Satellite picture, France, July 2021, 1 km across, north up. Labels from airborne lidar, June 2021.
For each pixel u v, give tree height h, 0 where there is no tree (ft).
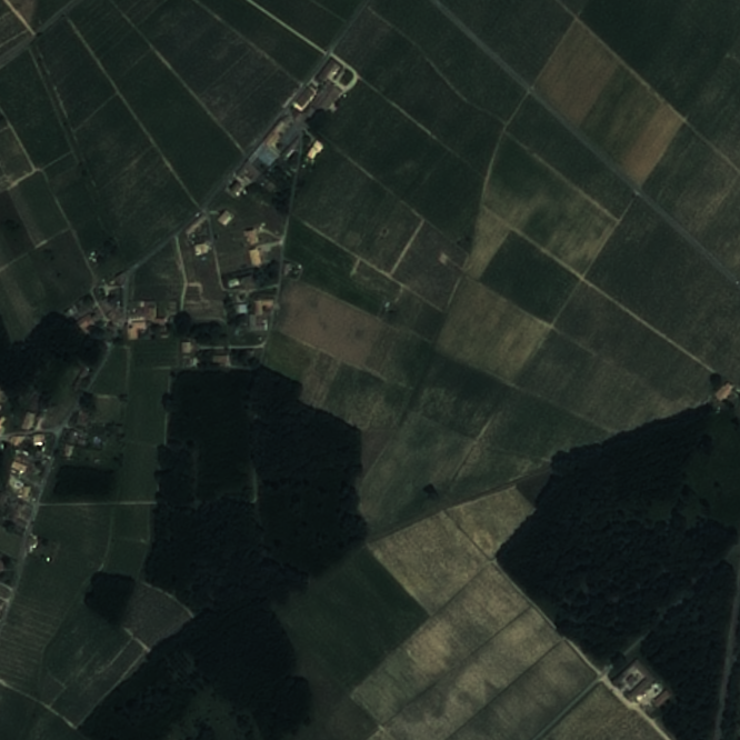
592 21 0
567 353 0
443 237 0
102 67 0
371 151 0
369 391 0
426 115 0
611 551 58
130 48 0
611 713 0
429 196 0
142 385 0
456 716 0
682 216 0
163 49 0
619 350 0
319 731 0
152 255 0
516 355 0
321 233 0
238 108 0
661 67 0
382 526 0
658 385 0
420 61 0
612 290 0
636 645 0
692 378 0
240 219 0
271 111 0
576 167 0
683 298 0
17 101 0
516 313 0
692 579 82
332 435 54
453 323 0
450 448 0
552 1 0
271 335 0
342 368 0
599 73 0
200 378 22
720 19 0
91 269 0
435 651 0
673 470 67
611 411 0
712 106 0
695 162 0
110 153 0
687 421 65
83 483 23
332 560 20
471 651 0
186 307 0
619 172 0
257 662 74
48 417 0
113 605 55
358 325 0
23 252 0
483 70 0
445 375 0
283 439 70
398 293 0
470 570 0
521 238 0
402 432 0
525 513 0
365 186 0
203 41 0
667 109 0
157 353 0
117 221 0
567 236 0
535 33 0
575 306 0
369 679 0
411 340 0
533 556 63
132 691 19
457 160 0
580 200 0
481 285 0
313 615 0
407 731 0
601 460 72
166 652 47
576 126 0
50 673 0
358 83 0
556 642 0
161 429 0
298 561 24
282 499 25
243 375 27
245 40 0
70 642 0
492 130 0
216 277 0
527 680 0
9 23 0
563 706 0
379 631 0
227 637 66
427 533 0
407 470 0
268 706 66
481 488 0
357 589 0
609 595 52
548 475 0
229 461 21
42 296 0
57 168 0
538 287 0
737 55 0
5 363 50
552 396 0
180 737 0
